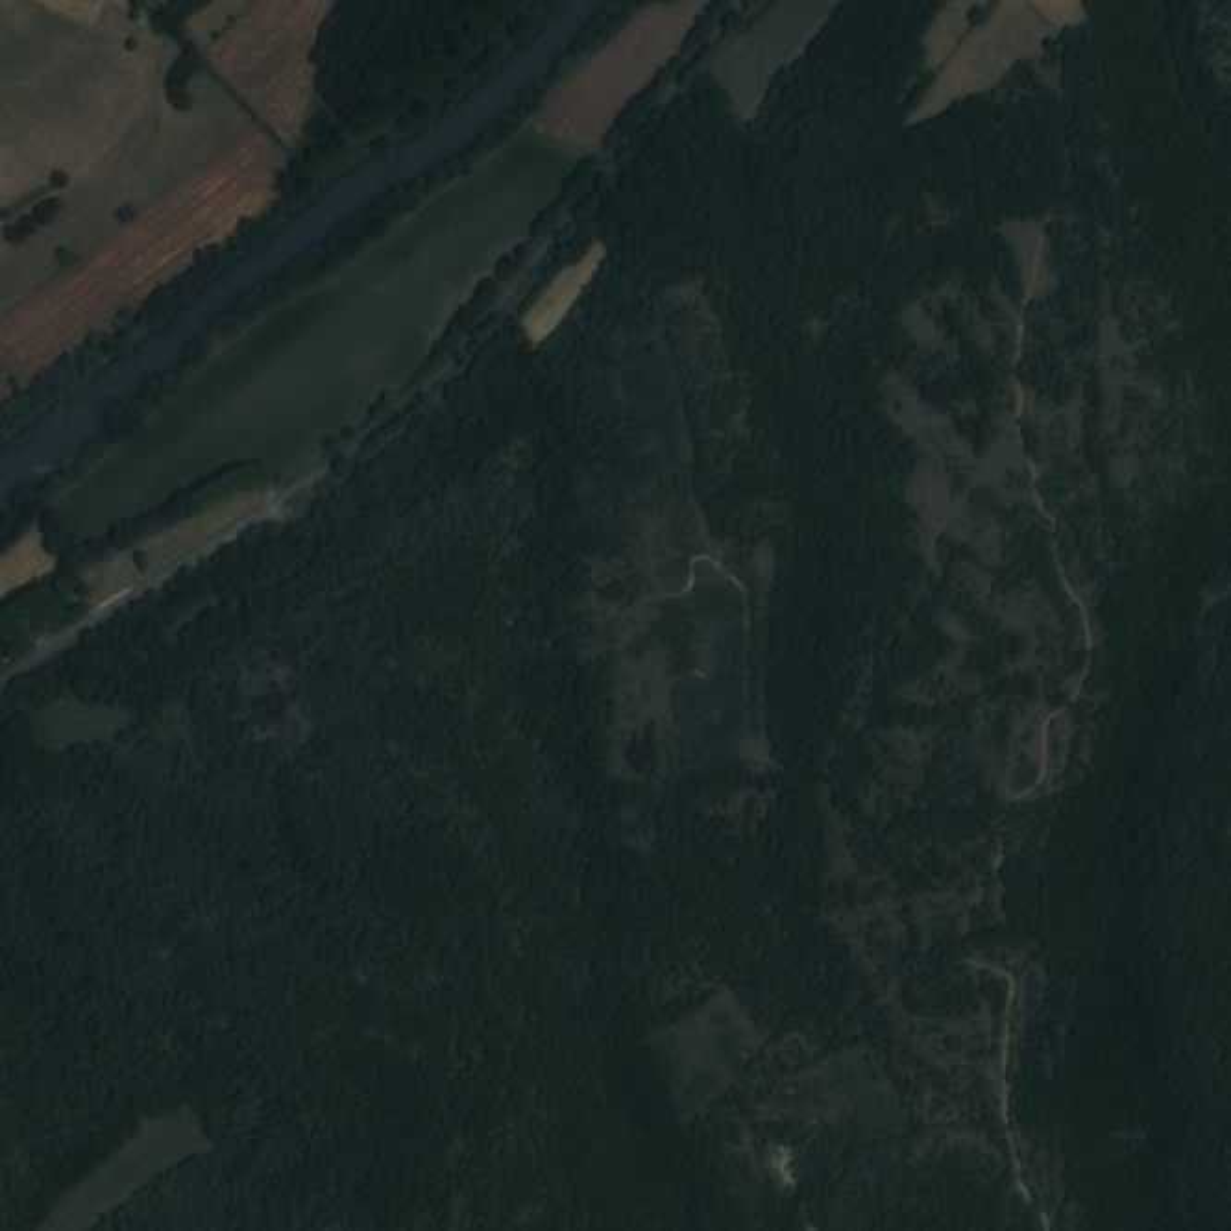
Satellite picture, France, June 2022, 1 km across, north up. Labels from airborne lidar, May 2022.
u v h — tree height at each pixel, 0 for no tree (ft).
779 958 30
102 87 0
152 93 0
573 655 47
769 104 22
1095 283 25
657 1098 44
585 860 29
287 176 78
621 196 56
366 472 27
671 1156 50
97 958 37
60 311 0
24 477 0
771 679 31
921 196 21
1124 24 36
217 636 35
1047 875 31
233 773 22
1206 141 37
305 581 28
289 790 48
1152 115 26
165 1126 0
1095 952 37
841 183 39
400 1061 35
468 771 32
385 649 22
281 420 0
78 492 0
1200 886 28
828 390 33
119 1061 31
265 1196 31
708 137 33
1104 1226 30
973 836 31
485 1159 29
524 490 20
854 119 43
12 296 0
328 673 31
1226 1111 33
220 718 33
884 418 24
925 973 18
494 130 49
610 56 0
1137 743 41
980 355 31
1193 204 31
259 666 24
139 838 25
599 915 46
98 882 37
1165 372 25
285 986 27
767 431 23
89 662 46
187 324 0
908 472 24
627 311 29
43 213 57
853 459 27
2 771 55
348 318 0
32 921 31
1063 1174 24
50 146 0
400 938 33
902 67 46
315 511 34
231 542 34
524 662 22
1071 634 23
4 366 0
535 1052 22
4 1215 26
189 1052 35
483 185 0
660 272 31
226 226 0
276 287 41
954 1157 21
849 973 31
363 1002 32
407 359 0
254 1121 20
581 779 39
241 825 22
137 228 0
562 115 0
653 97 44
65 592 62
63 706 0
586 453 42
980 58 0
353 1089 29
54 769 48
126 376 0
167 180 0
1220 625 25
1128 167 25
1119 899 38
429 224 0
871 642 31
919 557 18
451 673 27
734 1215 22
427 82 0
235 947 23
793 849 34
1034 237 0
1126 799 37
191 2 62
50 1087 54
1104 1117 37
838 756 27
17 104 0
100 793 46
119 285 0
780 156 33
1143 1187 37
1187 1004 32
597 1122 29
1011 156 31
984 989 26
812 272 24
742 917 22
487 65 70
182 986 29
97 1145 41
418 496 21
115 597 0
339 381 0
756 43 0
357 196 0
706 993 21
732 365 24
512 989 30
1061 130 31
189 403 0
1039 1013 23
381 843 29
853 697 26
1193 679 36
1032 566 24
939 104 0
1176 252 40
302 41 0
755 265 43
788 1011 19
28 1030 40
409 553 26
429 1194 35
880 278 29
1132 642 27
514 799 26
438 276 0
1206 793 27
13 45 0
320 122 35
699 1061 0
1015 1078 22
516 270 68
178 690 36
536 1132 21
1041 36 0
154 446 0
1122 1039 46
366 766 23
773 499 23
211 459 0
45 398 94
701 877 25
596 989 47
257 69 0
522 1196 34
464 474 29
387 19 50
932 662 27
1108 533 20
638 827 19
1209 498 22
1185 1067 32
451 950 38
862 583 29
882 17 31
